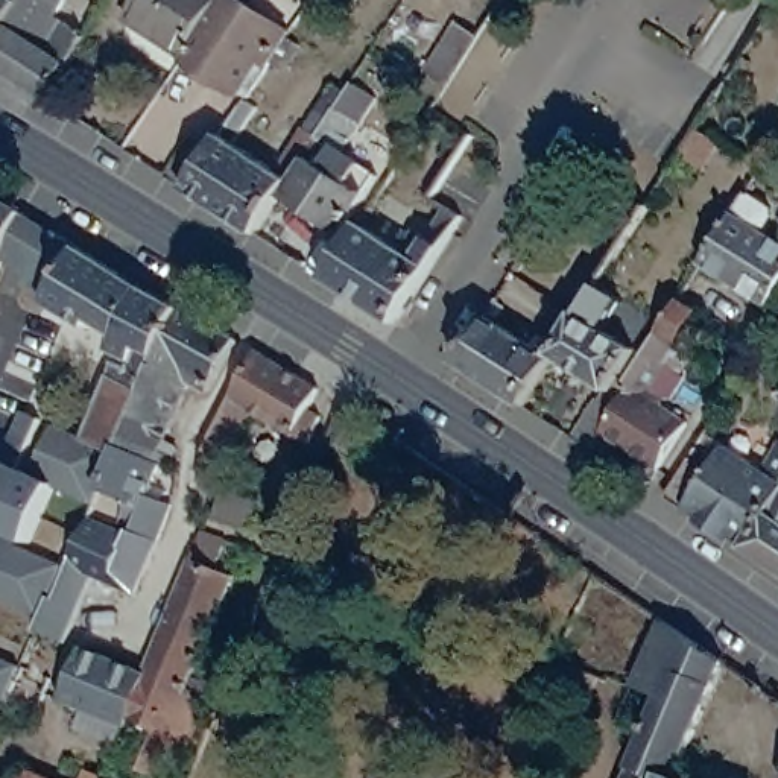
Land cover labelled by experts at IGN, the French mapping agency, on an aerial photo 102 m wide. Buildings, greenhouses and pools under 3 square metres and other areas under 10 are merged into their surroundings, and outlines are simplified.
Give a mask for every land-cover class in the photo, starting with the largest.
<instances>
[{"label":"impervious surface","instance_id":"1","mask_svg":"<svg viewBox=\"0 0 778 778\"><path fill-rule=\"evenodd\" d=\"M258 15L277 24L286 40L298 30L301 18L298 0H264ZM641 27L669 30L675 36H687L690 27H699L705 36L699 43L696 64L666 58L641 36ZM757 27H769L778 36V0H584L538 3L532 9V30L520 46H501L489 33V21H483L471 33L465 52L459 55L435 97V103L456 119L468 115L483 122V128L495 134V149L498 170V188H477L465 176L453 173L447 188L435 195V201L462 219V228L453 234L444 255L435 261L432 274L407 298L401 322L386 325L383 307L368 313L313 274V225L298 210L292 213V219H283V213L274 207L270 219L255 234H243L237 240L219 228L188 222V216L195 213V201L188 195H176L170 179L161 173H179L185 158L207 134H216L225 143H231L240 131L225 128V119L237 112L240 94L225 100V94L195 82L191 76H182V70L164 49H158L143 33L131 30L125 40L143 55H149L158 67H164L161 82L152 100L146 103L140 122L122 146L91 131L82 119L67 122L43 115V109L33 100L15 85H6L0 91V167L12 164L27 179V185H21L18 195L0 191V216L6 210H15L18 216L40 225V261L52 264L64 246H79L82 252L94 255L134 286L167 301V292L179 283V274L185 267L219 264L231 270L237 280H243L249 301V313H240V319L231 328L243 334L231 359L213 353L207 377L179 383L173 413L164 419V432L158 438V450L164 456L161 465H152L149 477L155 483L146 492L149 501L164 504V514L137 577L122 587H103L100 580L88 577L76 596L85 605L82 620L58 647L55 666L49 672H40L36 653L27 659H15V653L0 647V687L6 693H24L30 699H40L43 708L55 702L49 696L52 678H61L70 656L79 659L82 653H97L112 659L115 666L140 669V656L134 650H140L149 632L155 602L173 574L182 547L188 544L191 529L185 498L188 489H195V450H201L225 422L219 410L234 386V368H240L255 353L280 365L295 380H304L310 389H316L319 401L307 410L316 429L298 432L295 438H280V447L267 444V432H249L255 456L267 462L258 483V520L274 517L280 489L289 474L304 468L328 471L340 459L331 447L328 425L346 404L374 410V419L383 425V438L395 447L392 462L413 480L429 477L432 483H459L477 492L483 498L480 520L514 523L523 532H532L541 541H547L559 556L574 559L580 568L608 584L611 590H617L620 596H626L629 602H635L638 608H644L647 614H653L659 623L687 635L696 650L708 653L723 669L735 672L751 687H760L772 702H778V571L766 568L754 556L738 553V544H729L732 529L714 535L702 526H693V508L687 501H675L684 468H699L711 456V447L705 441L711 438L699 425L687 432L681 425L659 441V450L647 465L644 498L632 514H623L620 520L584 517L562 495V483L568 474L590 465L593 459H602L617 468H638L641 462L629 456L623 447L602 441L599 435H584L577 444H568L562 432H556L559 419H574L584 407V398L596 392L593 380L544 374L526 404H514V398L498 401L489 392H483L459 368L462 349L468 343L459 334L474 322L501 325L520 340V346L538 349L550 337L559 310H565L574 301L580 286L593 289L599 277L611 270L614 258L623 252L629 237L644 222L647 207L663 210L669 204V191L656 185V179L666 170L669 158L678 152L690 134L693 115L705 106L717 85L726 82L720 70L726 58L738 61L748 52V43L760 40ZM593 152L617 161H632L635 182L641 185L629 198L635 210L614 243L599 240L593 249L574 258V264L568 267V274L556 280V286H544L535 277L514 267L508 261V249H498L508 231V225L501 222L504 204H517L523 198L517 185V179L523 176V161L547 164L565 155L568 161L584 164ZM349 146L356 149L349 164L365 170H371L374 164L383 167L389 161V137L386 131L356 128L349 134ZM353 222L368 228L395 249H407L416 240L432 246L438 240V231L432 228V219L425 213L410 216L404 204H398L395 198L386 201L380 213H368L359 207L349 210ZM97 328L85 322H70L61 313L43 307L33 298V289H21L18 298H6L0 292V413L6 416L21 410L33 416L27 380L33 377H40L43 383H61L76 368L94 386L103 374V368L97 365ZM614 301L617 313L599 319L596 328L626 349H638L644 337L653 331L656 319L647 316V307L635 310L629 298L620 292ZM64 532L61 526L43 520L36 526L33 541H27L33 556L46 562H61L55 550L61 547Z\"/></svg>","mask_w":778,"mask_h":778},{"label":"building","instance_id":"2","mask_svg":"<svg viewBox=\"0 0 778 778\"><path fill-rule=\"evenodd\" d=\"M88 0H0V91L6 85H15L33 100L36 91L46 94L67 73L64 61H70L79 52L82 40L76 33V15L85 12ZM264 0H125L122 6L128 9L131 30L143 33L158 49H164L182 70V76H191L195 82L225 94V100L240 94L237 112L225 119V128L240 131H246L255 119L252 91L267 79V70L292 67V58L304 49L286 40L277 24L258 15ZM471 33L444 18L429 49L416 55L422 85L435 97L459 55L465 52ZM371 97L353 85L337 88L322 76L319 91L310 97L304 112L289 122V134L283 137V143L274 146L277 161L283 167L280 176L231 143H225L216 134H207L185 158L179 173H161L170 179L176 195H188L195 201V213L188 216V222L219 228L237 240L243 234H255L270 219L274 207L283 213V219H292V213L298 210L313 225V274L368 313L383 307L386 325L401 322L407 298L432 274L435 261L444 255L453 234L462 228V219L435 201L425 213L432 219V228L438 231V240L432 246L416 240L407 249H395L368 228L353 222L349 210L359 207L383 167L374 164L371 170H365L349 164L356 149L349 146V134L356 128V119L362 115ZM769 222L766 207L748 195H738L735 204L720 219H714L684 286L696 295L702 289H717L742 295L751 304H760L778 310V237L769 240L763 231V225ZM21 289H33V298L43 307L61 313L70 322H85L97 328V365L103 368V374L94 386L91 398L85 401V419H79L76 435L70 429H55L52 422H40L33 416L21 410L6 416L0 413V608H18L33 623L36 641L46 638L58 647L82 620L85 605L76 596L88 577L100 580L103 587H122L137 577L164 514V504L149 501L146 492L155 483L149 477L152 465H161L164 456L158 450V438L164 432V419L173 413L179 383L207 377L213 353L231 359L243 334L231 328L219 334H201L191 325L173 319V307H164L167 301L134 286L94 255L82 252L79 246H64L52 264L40 261V225L18 216L15 210H6L0 216V292L6 298H18ZM52 489L67 492L88 514L82 517L76 532H64L61 547L55 550L61 562H46L33 556L27 541H33L36 526L43 520ZM617 313L614 301L593 289L580 286L574 301L565 310H559L550 337L538 349L520 346V340L501 325L474 322L459 334L468 343L462 349L459 368L483 392H489L498 401L514 398V404H526L544 374L593 380L596 392L584 398V407L574 419H559L556 432H562L568 444H577L584 435H599L602 441L623 447L629 456L647 465L659 450V441L681 425L675 419L678 401L672 395L675 386L687 383V359H678L672 340L678 328L690 319V307L669 301L666 310L656 313V319L653 331L644 337L638 349H626L596 328L599 319ZM234 386L219 410L225 422L252 419L249 432H267V444L280 447V438H295L298 432L316 429L307 410L319 401L316 389H310L304 380H295L280 365L255 353L240 368H234ZM711 447V456L699 468H684L675 501H687L693 508V526H702L714 535L732 529L729 544H738V553L754 556L766 568L778 571V432L769 435L763 453H742L732 447V438L720 432L711 438L705 441ZM252 501L216 498L207 526L191 529L188 544L182 547L173 574L155 602L149 632L140 650H134L140 656V669L115 666L112 659L97 653H82L79 659L70 656L61 678H52L49 696L55 702L73 705L97 720H134L140 732L155 735L182 738L191 732L195 720L188 705V684L195 663L185 650L195 644V617L213 611L234 584L231 574H222L219 556L225 553V544H237L240 535H231V526H246ZM723 669L708 653L696 650L687 635L659 623L650 626V635L641 644L632 672H620L617 687L644 693V711L641 720L632 723V732L620 735L608 778H666L653 775L647 766L666 763L690 745L711 705L714 690L720 687ZM754 778H778V766L772 757L763 754L751 772Z\"/></svg>","mask_w":778,"mask_h":778},{"label":"deciduous trees","instance_id":"3","mask_svg":"<svg viewBox=\"0 0 778 778\"><path fill-rule=\"evenodd\" d=\"M119 0H88L85 12L76 15V33L82 40L100 33L97 24L103 12L115 9ZM301 18L307 24H316L319 33L346 43L353 27V0H298ZM523 12H504L489 21V33L501 46H520L532 30V9L538 3L584 0H523ZM726 82L717 85L705 106L693 115L690 134H699L708 119H717L720 112H754L763 106L757 100L748 52L738 61L726 58L720 70ZM161 82L134 64H109L100 73H67L46 94L36 91L33 100L43 109V115L67 122L82 119L88 115V106L97 97L131 94L143 97L146 103L152 100ZM435 103V97L422 85L383 88L380 106L386 125L404 122V131L389 137V161L395 164V170H410L425 158V146L435 152H453L459 140L441 125L422 128L416 122L419 106ZM742 161L748 164V173L742 176L745 182L766 179L769 188L778 182V137H763L754 149L742 155ZM517 185L523 198L517 204H504L501 222L508 225V231L498 249H508V261L514 267L535 277L544 286H556V280L568 274V267L574 264V258L593 249L599 240L614 243L635 210L629 198L641 185L635 182L632 161H617L593 152L584 164L568 161L565 155L547 164L523 161V176L517 179ZM498 170L486 161L471 158V170L465 176L477 188H498ZM21 185H27V179L12 164L0 167V191L18 195ZM249 301L243 280H237L231 270L219 264L185 267L179 274V283L167 292V301L164 307H173V319L191 325L201 334H219L231 328L240 319V313H249ZM729 319L708 310L705 301L699 307H690V319L678 328L672 340L678 359H687V383H702L699 425L711 438L720 432L732 438V425H766L769 435L778 432V310L760 304V319L751 322L742 337H723V325ZM331 447L340 459L346 483L356 480V465L368 456L374 441L383 438V425L374 419V410L346 404L328 425ZM252 419L225 422L201 450H195V489H188L185 498L191 529L207 526L216 498L252 501L246 526H231V535H240L237 544H225V553L219 556L222 574H231L234 584H255L258 605L267 617L258 626V632L249 641L228 638L225 653H219L210 647V632L216 626L213 611L195 617V644L185 650L195 663L188 684V705L195 720L191 732L182 738L155 735L140 732L134 720H125L115 738L100 742L94 757L97 772H88L91 760L85 754L61 751V757L52 766L70 778H188L195 748L207 732L210 720H219V732L204 763L210 769L225 772V778H498L477 766L474 742L468 738L441 742L438 735L425 732L416 720H401V726H392L395 714L386 705V684L395 669L413 663L416 672L432 675L441 684L447 675L459 672L456 659L483 663L489 644L501 653V669H511L514 659H526L529 666H535L562 653H580V641L571 635L562 608L544 596L498 602V614L462 608V596L441 602L435 617L419 614L413 605L425 584L438 577L511 580L520 550L529 547L523 532L514 523L480 520L468 526H450L444 520V483H432L429 477L413 480L419 492L395 495L392 501L377 495L371 514L356 517V511L349 508V492L337 489L328 471L304 468L289 474L280 489L274 517L258 520V483L267 462L255 456L249 432ZM356 517L359 547L365 550L362 562L371 568V580L340 590L331 577L322 574L319 559L331 547L334 520ZM647 465L641 462L638 468H617L602 459H593L590 465L568 474L562 483V495L584 517L620 520L623 514H632L644 498ZM514 693H520V699L514 711L501 717L498 726L501 738L514 742L508 760L514 778H580L596 763L602 745L599 720L587 717V702L571 681H547L538 678L535 669H529L508 684ZM43 708L40 699H30L24 693H6L0 687V732L6 735L40 729ZM36 757H30L18 745L0 742V778H40L30 772ZM653 775L666 778H754L751 772L738 763L723 760V754L717 751H702L690 745L666 763L647 766Z\"/></svg>","mask_w":778,"mask_h":778},{"label":"herbaceous vegetation","instance_id":"4","mask_svg":"<svg viewBox=\"0 0 778 778\"><path fill-rule=\"evenodd\" d=\"M125 0H119L115 9L103 12L97 24L100 33L82 40L79 52L70 61H64L67 73H100L109 64H134L161 82L164 67H158L149 55H143L125 40L131 30L128 9L122 6ZM401 3H404V0H353V27L346 43L319 33L316 24H307L301 18L298 30L286 40L304 49L292 58V67L267 70V79L252 91L255 119L246 131H240L231 143L280 176L283 167L277 161L274 146L283 143V137L289 134V122L304 112L310 97L319 91L322 76L337 88L353 85L371 97L362 115L356 119V128L386 131L389 137L404 131V122L386 125L380 106L383 88L422 85L416 55L429 49L444 18L471 33L483 21H489L504 12H523V0H444V6L438 9V12H419V9H416V12H410V21H407V24H401L398 18H395V15H398V9H401ZM760 40L748 43V52L757 100L763 106L754 112H720L717 119H708L699 134H690L678 152L699 170V179L693 188L684 191V207L669 204L663 210L647 207L644 222L629 237L623 252L614 258L611 270L599 277L593 289L614 301L620 292L629 298L635 310L647 307V316L656 319V313L666 310L669 301L690 307H699L705 301L708 310L729 319L723 325V337H742L751 322L760 319V304H751L742 295L717 289H702L696 295L684 286L714 219H720L735 204L738 195H748L766 207L769 222L763 225V231L769 240L778 237V182L769 188L766 179L745 182L742 176L748 173V164L742 161V155L754 149L763 137H778V36L769 27H757ZM146 103L143 97L131 94L97 97L88 106V115L82 119L91 131L122 146L140 122ZM471 158L486 161L498 170L495 149L474 143L468 134L459 140L453 152H435L425 146V158L410 170H395V164L389 161L383 167L359 207L368 213H380L386 201L395 198L398 204H404L410 216L425 213L435 201V195L447 188L453 173L465 176L471 170ZM702 383H687L675 386L672 395L678 401L675 419L681 425L687 432L699 425ZM769 435L766 425H732V447L742 453H763ZM395 447L383 438L374 441L368 456L356 465V480L346 483L340 459L328 471L337 489L349 492V508L356 511V517L371 514L377 495L392 501L395 495L419 492L413 480L392 462ZM444 520L450 526H468L480 520L483 498L477 492L459 483H444ZM88 514L67 492L52 489L43 520L61 526L64 532H76L82 517ZM365 550L359 547L356 517L334 520L331 547L319 559L322 574L331 577L340 590L371 580V568L362 562ZM529 547L520 550L511 580L438 577L425 584L413 605L419 614L435 617L441 602L462 596V608L498 614V602L544 596L562 608L571 635L580 641V653H562L535 666H529L526 659H514L511 669H501V653L489 644L483 663L456 659L459 672L447 675L441 684L432 675L416 672L413 663L395 669L386 684V705L395 714L392 726H401V720H416L425 732L438 735L441 742L468 738L474 742L477 766L498 778H514L508 760L514 742L501 738L498 726L501 717L514 711L520 699V693H514L508 684L529 669H535L538 678L547 681H571L587 702V717L599 720L602 745L596 763L580 778H608L620 735L632 732V723L641 720L644 711V693L617 687L620 672H632L641 644L650 635V626L659 623L653 614H647L644 608H638L635 602H629L626 596H620L617 590H611L608 584L580 568L568 580L547 587V565L532 550L535 541H541L532 532H523ZM216 626L210 632V647L219 653H225L228 638L249 641L258 632V626L267 617L258 605L255 584H234L213 611ZM0 647L15 653V659H27L36 653L40 672H49L55 666L58 647L46 638L36 641L33 623L18 608H0ZM690 745L702 751H717L723 754V760L738 763L751 772L763 754L772 757L778 766V702H772L760 687H751L735 672L723 669L720 687L714 690L711 705ZM125 720H97L73 705L55 702L43 708L40 729L6 735L0 732V742L18 745L30 757H36L30 772L40 778H70L52 766L61 757V751L85 754L91 760L88 772H97L94 757L100 742L115 738ZM219 732V720H210L207 732L195 748L188 778H225V772L210 769L204 763Z\"/></svg>","mask_w":778,"mask_h":778},{"label":"brushwood","instance_id":"5","mask_svg":"<svg viewBox=\"0 0 778 778\"><path fill-rule=\"evenodd\" d=\"M641 36L666 58L696 64L699 43L705 36L699 27H690L687 36H675L669 30L641 27ZM416 122L422 128L441 125L459 140L468 134L474 143L495 149V134L483 128V122L468 115L456 119L435 103L419 106ZM699 179V170L678 152L669 158L666 170L656 179V185L669 191V204L684 207V191L693 188ZM532 550L547 565V587L568 580L580 568L574 559L559 556L547 541H535Z\"/></svg>","mask_w":778,"mask_h":778},{"label":"coniferous trees","instance_id":"6","mask_svg":"<svg viewBox=\"0 0 778 778\"><path fill-rule=\"evenodd\" d=\"M33 416L40 422H52L55 429H70L76 435L79 419H85V401L91 398L94 386L76 368L61 383H43L40 377H33L27 380Z\"/></svg>","mask_w":778,"mask_h":778},{"label":"pervious surface","instance_id":"7","mask_svg":"<svg viewBox=\"0 0 778 778\"><path fill-rule=\"evenodd\" d=\"M444 6V0H404V3H401V9H398V15H395V18H398L401 24H407V21H410V12H416V9H419V12H438V9Z\"/></svg>","mask_w":778,"mask_h":778}]
</instances>
